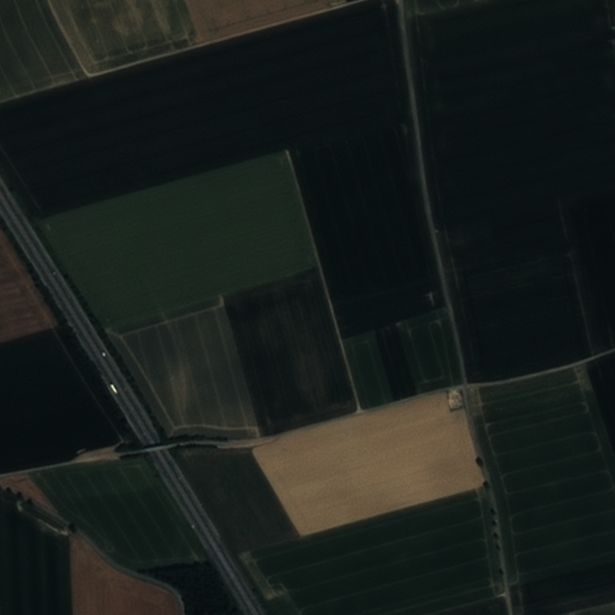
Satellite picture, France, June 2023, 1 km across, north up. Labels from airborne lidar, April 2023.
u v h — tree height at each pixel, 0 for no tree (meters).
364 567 0
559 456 0
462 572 0
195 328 0
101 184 0
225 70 0
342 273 0
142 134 0
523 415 0
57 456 0
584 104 0
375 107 0
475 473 0
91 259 0
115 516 0
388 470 0
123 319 0
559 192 0
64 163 0
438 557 0
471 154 0
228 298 0
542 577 0
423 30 0
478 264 0
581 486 0
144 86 0
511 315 0
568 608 0
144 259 0
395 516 0
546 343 0
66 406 0
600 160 0
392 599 0
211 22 0
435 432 0
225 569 0
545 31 0
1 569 0
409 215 0
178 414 0
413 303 0
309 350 0
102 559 0
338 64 0
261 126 0
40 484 0
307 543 0
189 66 0
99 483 0
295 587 0
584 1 0
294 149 0
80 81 0
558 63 0
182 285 0
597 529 0
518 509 0
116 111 0
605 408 0
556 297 0
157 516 0
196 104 0
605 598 0
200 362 0
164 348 0
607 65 0
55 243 0
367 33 0
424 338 0
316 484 0
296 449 0
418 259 0
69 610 0
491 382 0
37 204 0
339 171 0
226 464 0
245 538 0
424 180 0
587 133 0
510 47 0
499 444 0
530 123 0
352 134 0
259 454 0
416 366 0
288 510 0
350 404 0
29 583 0
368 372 0
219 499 0
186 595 20
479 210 0
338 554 0
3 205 0
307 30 0
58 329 0
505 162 0
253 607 0
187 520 0
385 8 0
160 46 0
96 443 0
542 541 0
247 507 0
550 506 0
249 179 0
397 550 0
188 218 0
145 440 0
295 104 0
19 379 0
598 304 0
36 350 0
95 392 0
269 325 0
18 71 0
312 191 0
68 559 0
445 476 0
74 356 0
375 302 0
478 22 0
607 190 0
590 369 0
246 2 0
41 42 0
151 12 0
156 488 0
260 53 0
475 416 0
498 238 0
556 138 0
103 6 0
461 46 0
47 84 0
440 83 0
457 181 0
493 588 0
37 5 0
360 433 0
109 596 0
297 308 0
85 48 0
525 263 0
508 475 0
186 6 0
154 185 0
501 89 0
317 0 0
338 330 0
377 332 0
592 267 0
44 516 0
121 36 0
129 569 0
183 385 0
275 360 0
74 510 0
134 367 0
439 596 0
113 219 0
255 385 0
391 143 0
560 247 0
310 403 0
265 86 0
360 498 0
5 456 0
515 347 0
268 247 0
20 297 0
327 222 0
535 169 0
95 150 0
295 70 0
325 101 0
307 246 0
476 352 0
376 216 0
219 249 0
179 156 0
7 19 0
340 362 0
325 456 0
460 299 0
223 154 0
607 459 0
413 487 0
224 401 0
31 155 0
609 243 0
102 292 0
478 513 0
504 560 0
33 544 0
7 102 0
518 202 0
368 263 0
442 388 0
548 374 0
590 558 0
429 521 0
